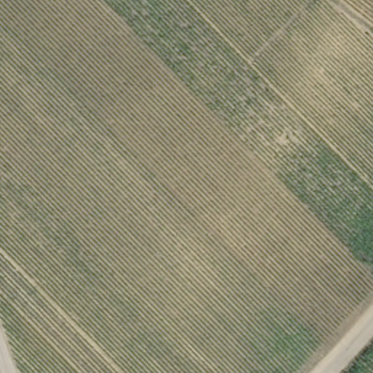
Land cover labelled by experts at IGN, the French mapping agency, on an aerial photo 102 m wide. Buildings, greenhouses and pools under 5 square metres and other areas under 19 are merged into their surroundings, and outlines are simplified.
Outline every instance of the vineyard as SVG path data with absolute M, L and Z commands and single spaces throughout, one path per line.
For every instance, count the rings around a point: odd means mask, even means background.
M 373 373 L 373 338 L 354 357 L 344 373 Z
M 0 321 L 6 329 L 7 345 L 16 364 L 15 373 L 318 373 L 315 367 L 328 356 L 329 351 L 356 325 L 358 319 L 373 303 L 373 0 L 0 0 Z

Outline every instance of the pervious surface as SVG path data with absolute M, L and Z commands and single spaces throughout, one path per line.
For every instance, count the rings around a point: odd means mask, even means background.
M 15 373 L 16 364 L 7 345 L 6 329 L 0 321 L 0 373 Z
M 344 373 L 354 357 L 373 338 L 373 303 L 358 319 L 356 325 L 329 351 L 328 356 L 315 367 L 318 373 Z

